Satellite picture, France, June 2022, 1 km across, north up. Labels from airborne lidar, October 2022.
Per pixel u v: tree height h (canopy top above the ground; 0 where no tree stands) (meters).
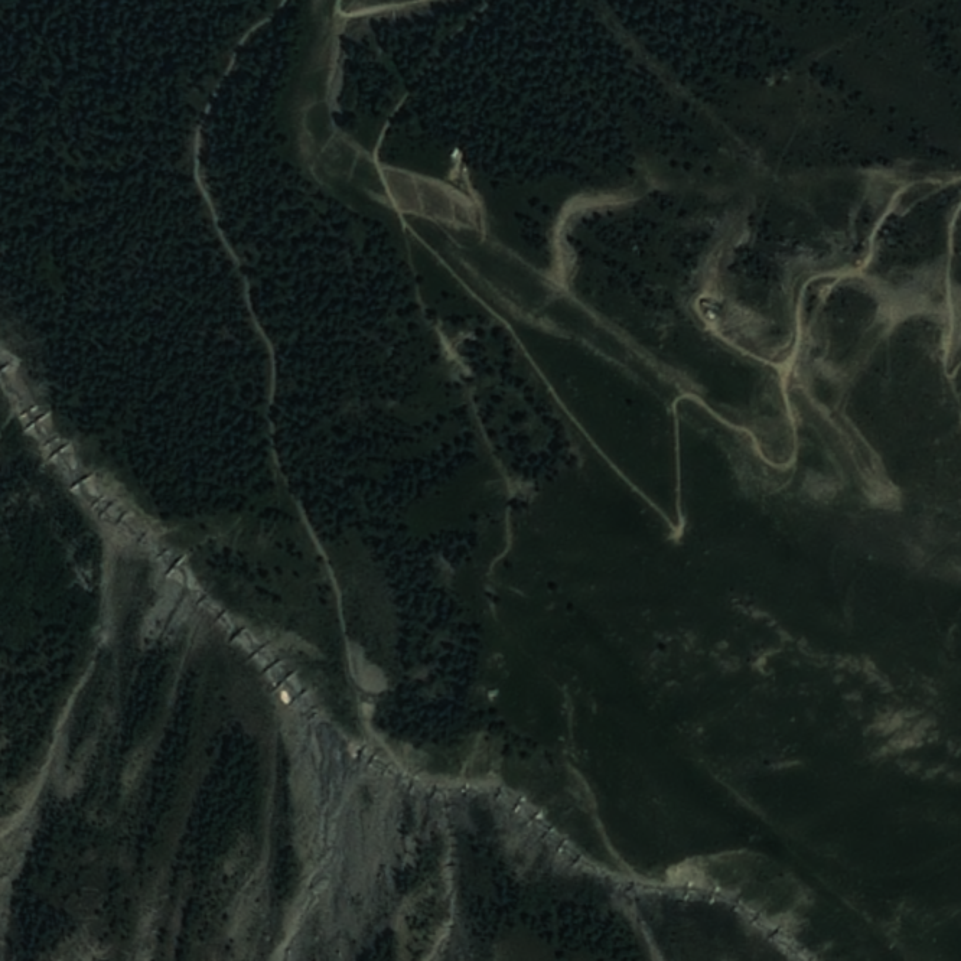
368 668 0
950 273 0
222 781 21
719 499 0
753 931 0
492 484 0
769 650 0
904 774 0
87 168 0
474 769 0
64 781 0
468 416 15
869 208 0
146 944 0
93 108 28
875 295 0
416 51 25
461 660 16
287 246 21
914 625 0
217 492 16
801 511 0
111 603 0
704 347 0
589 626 0
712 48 15
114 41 29
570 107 13
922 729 0
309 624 0
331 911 0
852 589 0
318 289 16
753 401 0
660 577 0
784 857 0
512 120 20
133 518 0
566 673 0
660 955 0
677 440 0
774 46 10
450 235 0
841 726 0
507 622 0
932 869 0
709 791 0
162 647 14
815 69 9
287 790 7
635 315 0
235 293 21
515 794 0
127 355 29
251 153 17
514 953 0
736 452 0
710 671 0
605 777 0
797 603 0
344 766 0
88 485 0
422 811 0
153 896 0
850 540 0
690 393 0
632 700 0
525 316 0
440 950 0
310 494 23
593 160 6
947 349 0
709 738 0
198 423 23
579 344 0
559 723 0
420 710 14
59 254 22
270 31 7
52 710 11
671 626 0
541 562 0
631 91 10
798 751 0
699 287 0
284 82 19
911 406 0
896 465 0
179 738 14
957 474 0
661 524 0
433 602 14
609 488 0
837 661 0
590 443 0
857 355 0
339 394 12
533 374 0
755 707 0
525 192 0
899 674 0
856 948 0
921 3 0
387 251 16
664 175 0
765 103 0
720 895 0
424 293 0
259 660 0
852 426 0
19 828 0
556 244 0
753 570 0
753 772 0
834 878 0
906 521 0
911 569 0
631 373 0
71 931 10
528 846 0
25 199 29
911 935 0
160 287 23
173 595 0
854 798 0
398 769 0
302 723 0
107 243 18
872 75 0
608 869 0
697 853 0
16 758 12
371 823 0
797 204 0
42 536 9
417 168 0
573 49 16
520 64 25
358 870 0
